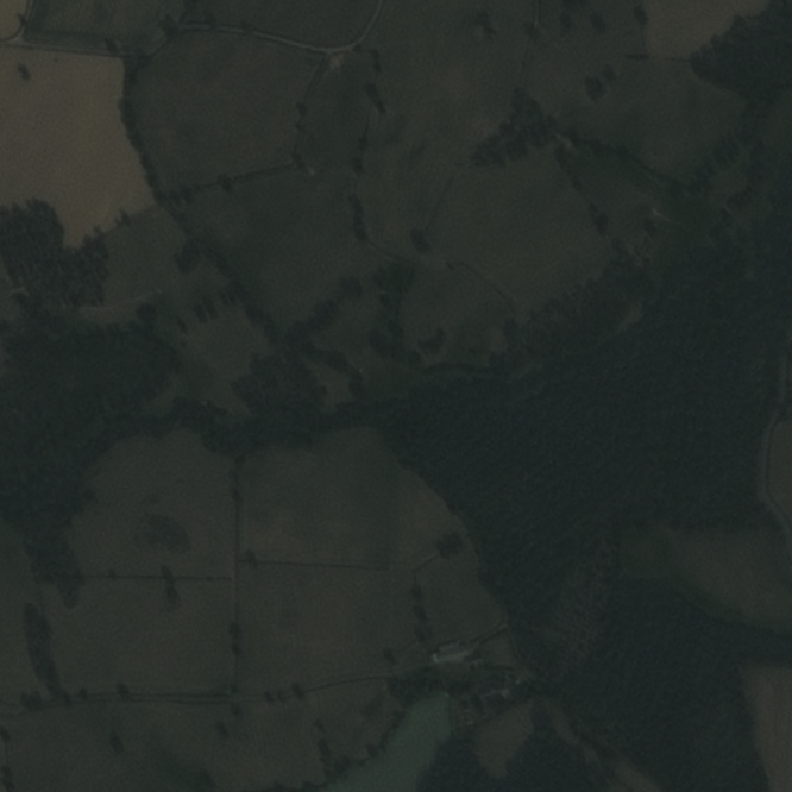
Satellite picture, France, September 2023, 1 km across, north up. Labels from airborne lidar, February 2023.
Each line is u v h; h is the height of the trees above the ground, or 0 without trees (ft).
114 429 22
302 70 0
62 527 20
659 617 51
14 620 0
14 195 0
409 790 0
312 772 0
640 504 82
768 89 48
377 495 0
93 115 0
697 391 89
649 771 57
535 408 36
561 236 0
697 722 18
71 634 0
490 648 0
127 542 0
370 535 0
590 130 0
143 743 0
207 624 0
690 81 0
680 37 0
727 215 45
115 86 0
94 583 0
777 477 0
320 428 31
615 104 0
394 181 0
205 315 36
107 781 0
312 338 0
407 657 0
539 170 0
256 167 0
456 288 0
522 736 0
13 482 41
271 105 0
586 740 35
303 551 0
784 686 0
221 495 0
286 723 0
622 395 51
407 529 0
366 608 0
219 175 0
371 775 0
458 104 0
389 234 0
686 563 0
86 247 31
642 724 45
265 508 0
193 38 0
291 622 0
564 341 72
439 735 0
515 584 40
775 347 55
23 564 0
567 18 30
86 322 0
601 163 0
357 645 0
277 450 0
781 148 0
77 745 0
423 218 0
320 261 0
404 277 0
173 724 0
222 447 34
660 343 52
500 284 0
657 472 95
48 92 0
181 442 0
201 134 0
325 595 0
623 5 0
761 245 66
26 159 0
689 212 0
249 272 0
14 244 52
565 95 0
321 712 0
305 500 0
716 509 60
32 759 0
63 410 57
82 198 0
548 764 40
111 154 0
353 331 0
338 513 0
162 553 0
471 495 43
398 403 29
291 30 0
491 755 0
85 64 0
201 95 0
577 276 0
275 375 17
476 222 0
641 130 0
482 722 0
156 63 0
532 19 0
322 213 0
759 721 0
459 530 0
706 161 0
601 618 74
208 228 0
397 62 0
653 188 0
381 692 0
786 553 0
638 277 77
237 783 0
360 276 0
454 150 0
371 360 0
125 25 0
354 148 0
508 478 41
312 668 0
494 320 0
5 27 0
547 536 49
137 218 0
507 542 49
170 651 0
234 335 0
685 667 41
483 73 0
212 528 0
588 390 49
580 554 21
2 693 0
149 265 0
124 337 59
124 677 0
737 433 54
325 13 0
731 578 0
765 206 0
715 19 0
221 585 0
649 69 0
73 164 0
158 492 0
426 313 0
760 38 30
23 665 0
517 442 54
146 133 0
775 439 0
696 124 0
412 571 0
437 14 0
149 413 0
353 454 0
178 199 44
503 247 0
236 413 0
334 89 0
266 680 0
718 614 0
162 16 0
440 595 0
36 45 0
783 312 46
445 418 53
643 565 0
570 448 36
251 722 0
